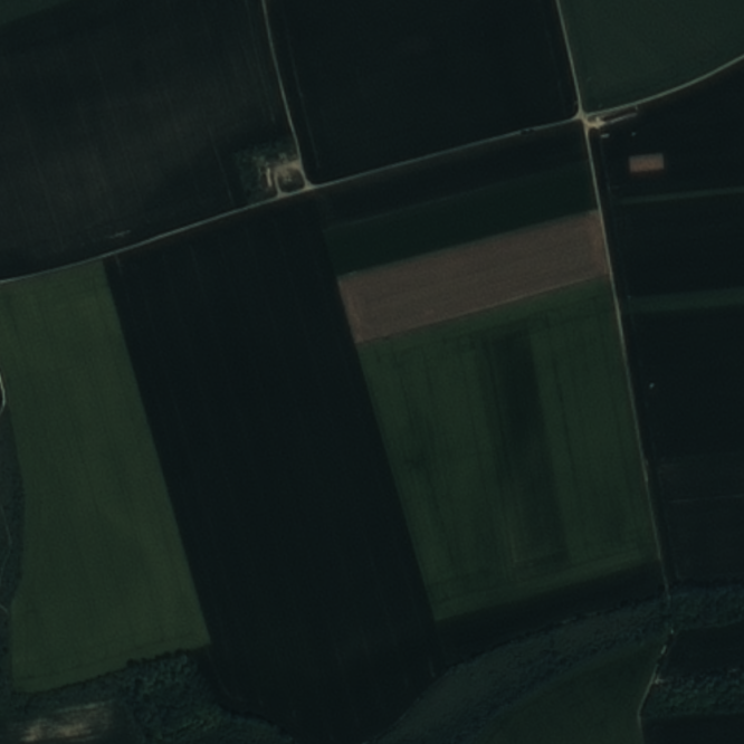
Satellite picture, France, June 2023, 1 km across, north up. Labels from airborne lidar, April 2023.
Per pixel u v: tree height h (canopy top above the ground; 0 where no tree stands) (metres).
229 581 0
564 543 0
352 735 0
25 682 0
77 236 0
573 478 0
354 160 0
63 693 6
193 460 0
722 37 0
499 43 0
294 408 0
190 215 0
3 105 0
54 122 0
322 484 0
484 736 0
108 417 0
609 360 0
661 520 0
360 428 0
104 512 0
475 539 0
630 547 0
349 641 0
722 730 0
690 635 0
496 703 6
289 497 0
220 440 0
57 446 0
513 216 0
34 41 0
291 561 0
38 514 0
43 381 0
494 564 0
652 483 0
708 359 0
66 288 0
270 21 0
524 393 0
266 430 0
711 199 0
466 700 0
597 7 0
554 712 0
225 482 0
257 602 0
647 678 0
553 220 0
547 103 0
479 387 0
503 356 0
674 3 0
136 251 0
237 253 0
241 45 0
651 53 0
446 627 0
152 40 0
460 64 0
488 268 0
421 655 0
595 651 8
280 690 0
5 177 0
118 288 0
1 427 0
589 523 0
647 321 0
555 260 0
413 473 0
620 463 0
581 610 0
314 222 0
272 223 0
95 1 0
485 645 0
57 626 0
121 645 0
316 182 0
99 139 0
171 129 0
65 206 0
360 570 0
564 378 0
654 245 0
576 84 0
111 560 0
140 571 0
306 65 0
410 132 0
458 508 0
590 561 0
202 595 0
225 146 0
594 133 0
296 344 0
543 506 0
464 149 0
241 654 0
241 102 0
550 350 0
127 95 0
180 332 0
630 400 0
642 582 0
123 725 0
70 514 0
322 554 0
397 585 0
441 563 0
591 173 0
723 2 0
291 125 0
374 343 0
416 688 0
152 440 0
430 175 0
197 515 0
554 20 0
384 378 0
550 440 0
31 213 0
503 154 0
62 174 0
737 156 0
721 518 0
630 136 0
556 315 0
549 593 0
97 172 0
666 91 0
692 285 0
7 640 6
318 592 0
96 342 0
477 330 0
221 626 0
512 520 0
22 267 0
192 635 0
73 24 0
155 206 0
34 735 0
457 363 0
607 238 0
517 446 0
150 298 0
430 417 0
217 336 0
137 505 0
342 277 0
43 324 0
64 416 0
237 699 0
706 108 0
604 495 0
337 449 0
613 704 0
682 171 0
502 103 0
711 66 0
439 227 0
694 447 0
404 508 0
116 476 0
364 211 0
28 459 0
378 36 0
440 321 0
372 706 0
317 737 0
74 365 0
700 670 0
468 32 0
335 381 0
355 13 0
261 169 0
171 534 0
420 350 0
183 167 0
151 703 22
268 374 0
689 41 0
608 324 0
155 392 0
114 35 0
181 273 0
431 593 0
